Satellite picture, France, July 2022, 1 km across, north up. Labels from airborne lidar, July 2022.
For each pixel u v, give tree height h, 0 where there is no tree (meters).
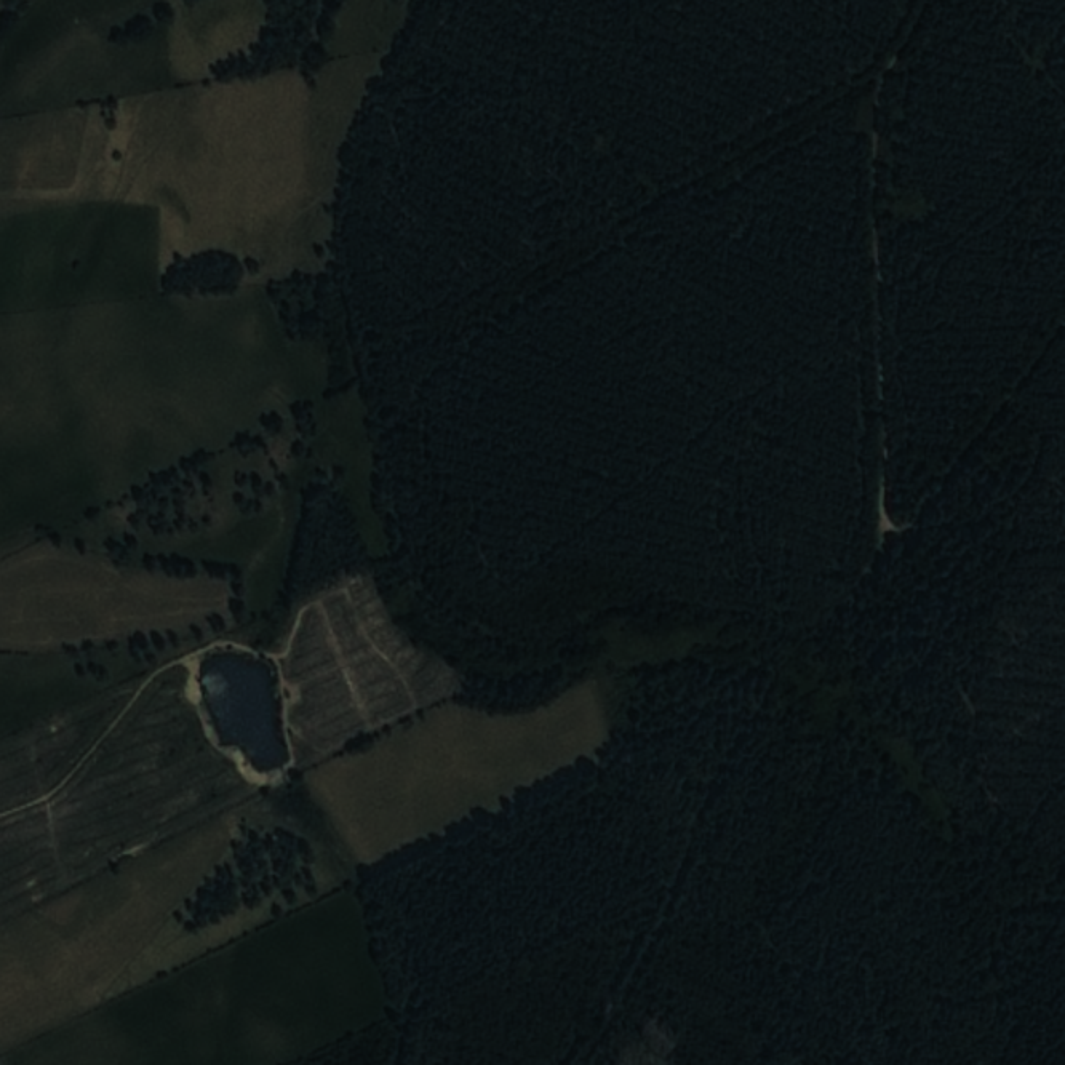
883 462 10
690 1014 20
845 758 12
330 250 16
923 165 17
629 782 26
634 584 12
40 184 0
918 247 18
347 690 0
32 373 0
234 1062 0
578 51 18
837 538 16
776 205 19
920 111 15
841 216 20
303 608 0
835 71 16
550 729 0
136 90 0
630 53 15
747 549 19
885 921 23
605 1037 27
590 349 18
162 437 0
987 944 19
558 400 19
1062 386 20
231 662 0
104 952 0
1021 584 15
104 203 0
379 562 7
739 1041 19
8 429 0
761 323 17
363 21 0
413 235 17
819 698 7
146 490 6
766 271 19
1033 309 17
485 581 16
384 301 16
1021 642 17
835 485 15
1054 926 25
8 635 0
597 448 17
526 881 26
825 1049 16
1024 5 17
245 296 0
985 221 17
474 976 20
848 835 25
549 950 18
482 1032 16
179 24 0
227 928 0
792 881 23
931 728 24
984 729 15
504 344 18
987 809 24
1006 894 18
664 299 16
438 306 14
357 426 0
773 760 21
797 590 17
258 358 0
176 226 0
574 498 18
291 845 20
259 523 0
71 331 0
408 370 18
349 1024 0
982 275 17
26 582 0
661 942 18
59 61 0
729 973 17
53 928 0
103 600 0
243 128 0
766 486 16
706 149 14
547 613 9
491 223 18
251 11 0
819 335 14
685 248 18
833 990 26
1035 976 24
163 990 0
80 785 0
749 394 13
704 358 19
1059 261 13
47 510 0
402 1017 8
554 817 21
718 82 15
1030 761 13
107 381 0
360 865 0
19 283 0
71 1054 0
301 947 0
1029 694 16
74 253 0
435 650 6
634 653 0
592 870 21
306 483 0
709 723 28
